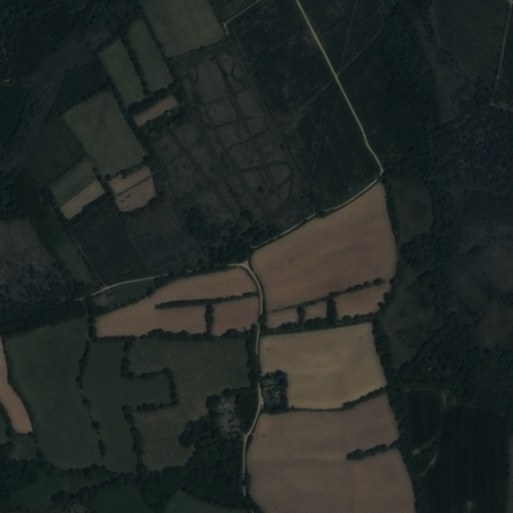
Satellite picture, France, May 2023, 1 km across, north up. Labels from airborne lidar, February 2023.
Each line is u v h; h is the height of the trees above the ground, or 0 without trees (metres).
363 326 0
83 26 22
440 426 0
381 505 0
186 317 0
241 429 10
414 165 8
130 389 0
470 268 0
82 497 13
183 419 0
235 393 9
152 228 0
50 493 0
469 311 6
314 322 13
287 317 0
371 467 0
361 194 0
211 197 0
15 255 0
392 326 0
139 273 0
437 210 9
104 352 0
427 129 7
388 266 0
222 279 0
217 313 0
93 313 17
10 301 11
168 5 0
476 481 0
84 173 0
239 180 0
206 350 0
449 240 14
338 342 0
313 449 0
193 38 0
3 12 10
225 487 0
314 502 0
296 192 0
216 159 0
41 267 0
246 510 12
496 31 0
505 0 0
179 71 0
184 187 0
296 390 0
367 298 0
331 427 0
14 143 12
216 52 0
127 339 10
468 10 0
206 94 0
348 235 0
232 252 9
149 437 0
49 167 0
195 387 0
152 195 0
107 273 0
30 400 0
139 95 0
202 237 6
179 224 0
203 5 0
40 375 0
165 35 0
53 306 16
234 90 0
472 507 0
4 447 11
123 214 9
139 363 0
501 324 0
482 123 10
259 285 11
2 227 0
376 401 0
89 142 0
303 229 0
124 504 0
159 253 0
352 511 0
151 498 11
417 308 0
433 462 0
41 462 10
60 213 9
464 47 0
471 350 12
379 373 0
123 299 0
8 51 12
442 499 0
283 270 0
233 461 12
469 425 0
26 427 0
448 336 10
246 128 0
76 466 0
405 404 7
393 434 0
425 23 5
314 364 0
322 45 0
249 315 0
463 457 0
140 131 8
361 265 0
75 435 0
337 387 0
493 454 0
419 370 14
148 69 0
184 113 12
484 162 10
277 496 0
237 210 0
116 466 0
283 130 0
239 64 0
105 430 0
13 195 14
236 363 0
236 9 0
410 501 0
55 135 0
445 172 17
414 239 6
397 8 10
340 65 0
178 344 0
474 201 16
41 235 8
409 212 0
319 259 0
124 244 0
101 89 10
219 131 0
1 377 0
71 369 0
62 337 0
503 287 0
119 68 0
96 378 0
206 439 12
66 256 0
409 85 12
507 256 0
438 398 0
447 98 0
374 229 0
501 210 11
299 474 0
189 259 0
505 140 6
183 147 0
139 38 0
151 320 0
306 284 0
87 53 0
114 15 11
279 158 0
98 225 0
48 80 0
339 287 0
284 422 0
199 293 0
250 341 9
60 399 0
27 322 17
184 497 0
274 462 0
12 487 9
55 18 10
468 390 9
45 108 0
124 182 0
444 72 0
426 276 15
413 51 7
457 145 8
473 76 0
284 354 0
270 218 0
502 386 6
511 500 0
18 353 0
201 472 7
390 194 11
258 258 0
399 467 0
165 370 11
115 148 0
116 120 0
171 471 17
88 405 15
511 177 9
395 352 0
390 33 8
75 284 9
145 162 6
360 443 0
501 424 0
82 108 0
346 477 0
